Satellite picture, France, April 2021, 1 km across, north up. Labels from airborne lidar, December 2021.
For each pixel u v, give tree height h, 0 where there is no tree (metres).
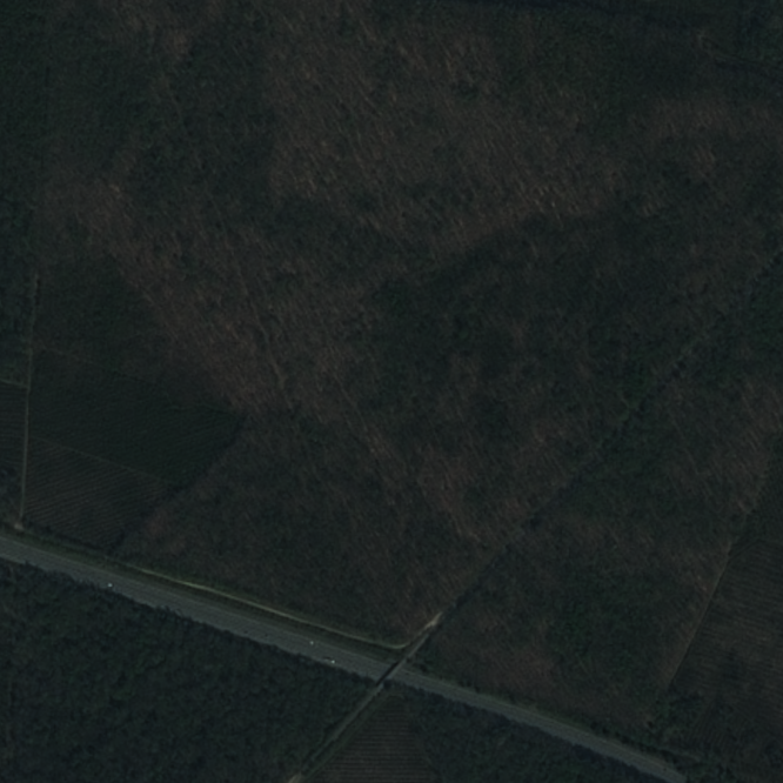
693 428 26
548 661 20
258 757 30
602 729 12
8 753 24
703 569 25
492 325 24
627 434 23
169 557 19
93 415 8
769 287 22
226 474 21
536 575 21
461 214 24
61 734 21
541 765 20
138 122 19
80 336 12
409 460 22
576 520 26
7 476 19
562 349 19
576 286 19
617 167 26
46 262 19
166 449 7
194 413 6
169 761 22
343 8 22
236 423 6
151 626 19
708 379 24
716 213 22
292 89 24
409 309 25
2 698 8
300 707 24
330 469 23
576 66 21
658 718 18
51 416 8
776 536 6
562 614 20
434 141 22
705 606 18
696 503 21
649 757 12
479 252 20
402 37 19
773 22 34
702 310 25
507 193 21
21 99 13
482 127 20
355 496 23
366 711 7
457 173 21
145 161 20
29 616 19
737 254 23
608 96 20
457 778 21
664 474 23
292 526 23
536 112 19
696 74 20
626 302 21
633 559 26
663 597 23
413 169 24
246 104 23
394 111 24
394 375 22
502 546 17
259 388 22
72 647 22
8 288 24
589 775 20
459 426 20
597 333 21
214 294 22
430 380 21
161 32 16
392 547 23
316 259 26
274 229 24
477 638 21
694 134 23
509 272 22
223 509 23
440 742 23
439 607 19
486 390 18
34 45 14
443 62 20
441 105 22
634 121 21
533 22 20
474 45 21
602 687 22
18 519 23
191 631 21
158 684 25
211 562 16
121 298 11
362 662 0
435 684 0
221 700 23
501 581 21
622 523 24
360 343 22
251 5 20
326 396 23
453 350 20
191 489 20
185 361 15
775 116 21
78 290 11
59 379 9
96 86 16
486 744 19
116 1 19
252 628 0
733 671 0
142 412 7
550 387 22
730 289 22
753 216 23
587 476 26
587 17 17
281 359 21
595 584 19
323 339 22
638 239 25
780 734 0
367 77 22
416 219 21
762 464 20
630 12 7
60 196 16
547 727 0
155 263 21
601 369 24
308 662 9
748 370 25
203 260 24
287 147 26
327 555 22
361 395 25
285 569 22
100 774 21
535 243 23
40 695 21
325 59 24
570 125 21
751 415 27
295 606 20
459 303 23
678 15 7
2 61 15
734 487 22
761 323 23
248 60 22
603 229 25
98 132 18
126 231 19
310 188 24
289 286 21
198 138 24
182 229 24
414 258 24
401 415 25
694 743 0
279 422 21
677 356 20
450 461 23
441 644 18
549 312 23
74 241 17
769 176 22
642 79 23
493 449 21
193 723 18
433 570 23
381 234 23
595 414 25
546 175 24
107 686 22
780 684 0
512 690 17
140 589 0
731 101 19
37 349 13
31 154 14
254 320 24
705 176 23
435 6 18
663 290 23
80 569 0
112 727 19
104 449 7
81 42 20
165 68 21
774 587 0
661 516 22
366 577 22
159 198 23
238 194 24
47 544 9
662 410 24
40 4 17
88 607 19
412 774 0
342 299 23
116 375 8
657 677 24
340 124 25
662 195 25
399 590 23
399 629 20
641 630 20
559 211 22
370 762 0
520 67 20
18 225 20
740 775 0
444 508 24
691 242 21
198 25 19
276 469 23
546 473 21
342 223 27
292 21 23
